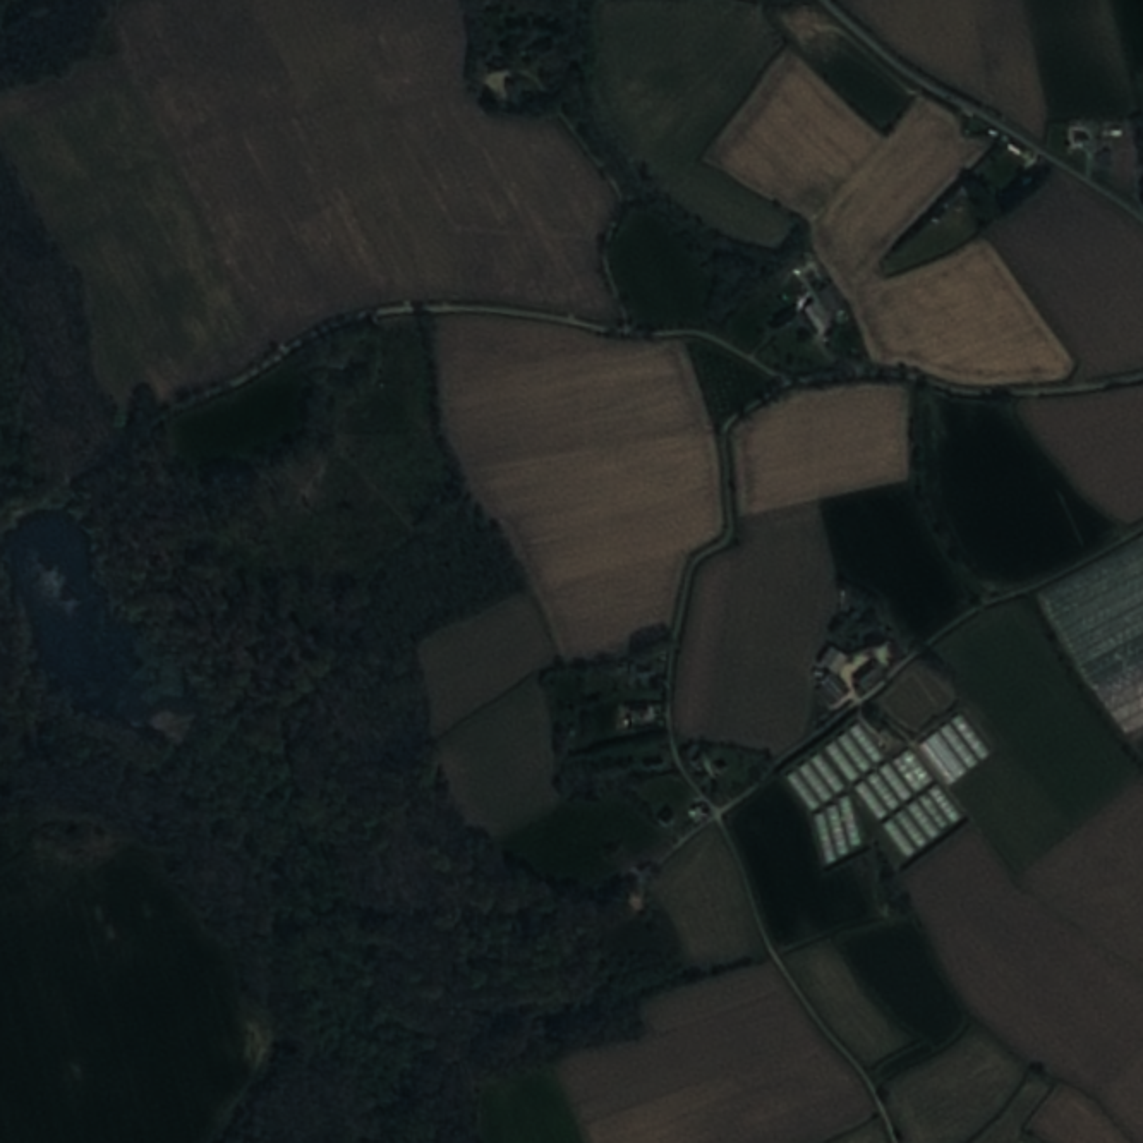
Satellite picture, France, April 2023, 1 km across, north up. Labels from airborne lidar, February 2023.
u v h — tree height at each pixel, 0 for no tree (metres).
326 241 0
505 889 26
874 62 0
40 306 22
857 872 0
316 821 23
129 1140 0
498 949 23
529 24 10
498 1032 30
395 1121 28
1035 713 0
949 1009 0
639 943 0
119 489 25
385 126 0
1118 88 0
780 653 0
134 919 0
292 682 26
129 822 23
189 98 0
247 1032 0
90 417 21
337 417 17
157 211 0
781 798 0
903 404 0
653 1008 0
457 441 0
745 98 0
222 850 20
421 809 24
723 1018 0
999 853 0
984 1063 0
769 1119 0
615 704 0
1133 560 0
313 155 0
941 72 0
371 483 0
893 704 0
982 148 0
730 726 0
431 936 28
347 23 0
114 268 0
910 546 0
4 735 24
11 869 0
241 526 26
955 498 0
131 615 10
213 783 14
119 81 0
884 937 0
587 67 11
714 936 0
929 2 0
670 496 0
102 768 25
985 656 0
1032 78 0
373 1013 25
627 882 10
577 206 0
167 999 0
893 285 0
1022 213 0
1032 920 0
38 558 0
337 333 14
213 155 0
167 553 27
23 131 0
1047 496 0
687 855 0
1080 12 0
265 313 0
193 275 0
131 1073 0
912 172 0
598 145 15
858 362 9
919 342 0
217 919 17
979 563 0
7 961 0
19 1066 0
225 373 0
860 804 0
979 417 0
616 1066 0
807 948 0
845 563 0
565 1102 0
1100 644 0
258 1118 19
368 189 0
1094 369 0
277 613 25
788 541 0
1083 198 0
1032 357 0
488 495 0
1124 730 0
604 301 0
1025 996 0
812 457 0
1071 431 0
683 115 0
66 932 0
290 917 20
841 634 10
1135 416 0
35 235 24
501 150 0
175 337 0
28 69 21
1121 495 0
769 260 6
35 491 24
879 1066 0
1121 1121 0
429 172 0
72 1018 0
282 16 0
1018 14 0
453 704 0
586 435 0
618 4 0
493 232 0
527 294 0
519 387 0
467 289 0
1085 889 0
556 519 0
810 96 0
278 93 0
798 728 0
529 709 0
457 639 0
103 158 0
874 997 0
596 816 0
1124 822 0
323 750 26
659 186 12
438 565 16
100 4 19
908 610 0
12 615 24
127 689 0
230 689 23
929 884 0
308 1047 18
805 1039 0
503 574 14
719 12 0
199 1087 0
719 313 9
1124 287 0
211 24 0
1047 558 0
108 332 0
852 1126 0
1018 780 0
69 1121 0
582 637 0
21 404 27
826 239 0
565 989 18
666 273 0
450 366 0
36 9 26
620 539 0
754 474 0
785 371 8
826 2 21
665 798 0
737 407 0
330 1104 19
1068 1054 0
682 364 0
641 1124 0
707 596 0
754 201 0
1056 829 0
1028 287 0
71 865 0
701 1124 0
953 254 0
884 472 0
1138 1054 0
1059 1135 0
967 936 0
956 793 0
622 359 0
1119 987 0
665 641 18
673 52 0
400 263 0
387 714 19
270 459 9
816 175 0
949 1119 0
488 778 0
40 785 22
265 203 0
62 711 22
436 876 19
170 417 9
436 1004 23
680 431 0
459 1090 25
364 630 22
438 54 0
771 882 0
